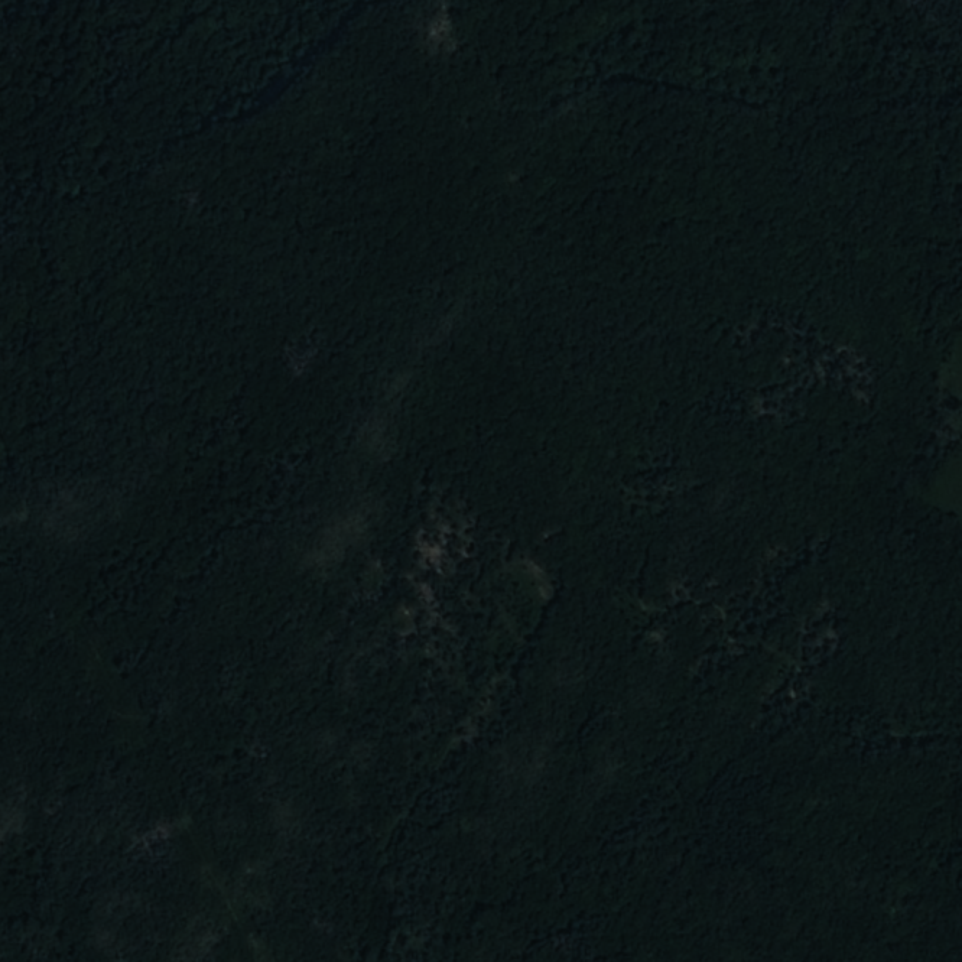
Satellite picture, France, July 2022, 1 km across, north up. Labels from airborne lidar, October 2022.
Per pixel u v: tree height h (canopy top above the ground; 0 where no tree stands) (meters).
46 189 29
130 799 12
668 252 16
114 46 23
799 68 21
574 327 15
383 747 6
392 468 16
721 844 21
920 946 11
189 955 8
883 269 9
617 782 9
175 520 21
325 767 10
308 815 8
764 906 10
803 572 17
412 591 14
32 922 19
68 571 14
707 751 9
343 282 13
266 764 13
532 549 13
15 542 14
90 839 7
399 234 18
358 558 13
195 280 14
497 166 15
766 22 14
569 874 20
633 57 24
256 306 12
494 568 14
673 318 15
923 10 24
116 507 6
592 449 17
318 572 8
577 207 21
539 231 21
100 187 28
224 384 20
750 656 12
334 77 13
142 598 14
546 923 12
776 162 20
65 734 14
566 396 15
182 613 13
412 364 9
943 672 17
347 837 11
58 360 10
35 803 10
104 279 19
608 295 18
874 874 15
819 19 17
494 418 16
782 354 14
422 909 13
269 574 16
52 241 27
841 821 14
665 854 14
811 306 12
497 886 9
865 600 16
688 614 13
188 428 12
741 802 20
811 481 16
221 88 11
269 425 21
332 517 6
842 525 14
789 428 13
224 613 9
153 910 9
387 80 16
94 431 8
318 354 21
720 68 14
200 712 15
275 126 10
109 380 11
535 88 27
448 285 18
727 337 18
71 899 14
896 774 13
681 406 16
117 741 16
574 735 12
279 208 17
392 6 12
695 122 17
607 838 17
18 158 32
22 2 23
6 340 12
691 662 16
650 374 18
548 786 8
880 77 15
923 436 21
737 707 10
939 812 16
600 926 19
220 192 12
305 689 15
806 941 10
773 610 17
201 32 17
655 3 15
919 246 19
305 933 14
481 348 15
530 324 19
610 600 15
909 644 15
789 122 23
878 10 20
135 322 19
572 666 12
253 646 16
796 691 10
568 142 15
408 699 8
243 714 19
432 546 14
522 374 18
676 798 15
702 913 13
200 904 12
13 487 7
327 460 12
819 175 8
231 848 12
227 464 29
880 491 21
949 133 24
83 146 37
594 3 22
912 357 13
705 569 13
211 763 17
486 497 19
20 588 12
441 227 14
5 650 13
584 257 21
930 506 12
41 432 24
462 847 12
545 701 14
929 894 15
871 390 13
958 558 21
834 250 14
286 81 17
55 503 5
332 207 19
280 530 10
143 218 20
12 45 23
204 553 12
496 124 21
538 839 13
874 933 13
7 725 13
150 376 10
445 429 20
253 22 13
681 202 18
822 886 13
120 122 26
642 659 11
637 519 14
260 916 10
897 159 24
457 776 7
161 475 12
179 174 11
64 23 30
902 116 23
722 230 18
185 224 14
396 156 17
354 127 15
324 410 18
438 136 14
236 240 11
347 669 6
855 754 14
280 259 16
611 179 24
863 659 14
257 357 16
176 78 19
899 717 11
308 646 10
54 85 24
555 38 26
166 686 10
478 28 26
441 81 15
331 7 23
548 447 20
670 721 15
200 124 16
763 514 13
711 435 16
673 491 12
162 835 21
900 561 22
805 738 16
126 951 7
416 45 8
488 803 8
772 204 17
